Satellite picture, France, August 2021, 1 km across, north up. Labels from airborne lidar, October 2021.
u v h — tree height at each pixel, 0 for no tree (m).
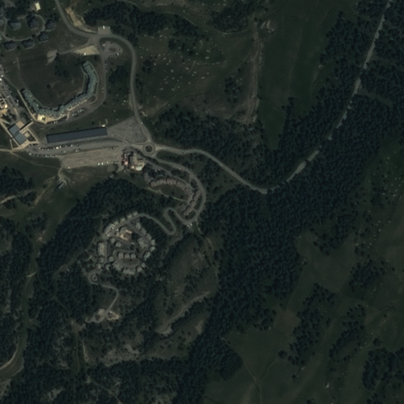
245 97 0
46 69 0
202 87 0
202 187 0
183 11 0
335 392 0
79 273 13
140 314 10
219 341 18
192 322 0
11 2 0
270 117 0
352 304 0
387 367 0
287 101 0
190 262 0
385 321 0
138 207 15
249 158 16
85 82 0
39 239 0
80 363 0
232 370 27
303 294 0
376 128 19
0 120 0
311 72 0
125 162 0
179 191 0
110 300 0
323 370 0
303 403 0
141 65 0
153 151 0
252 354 0
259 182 11
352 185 17
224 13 6
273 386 0
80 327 0
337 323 0
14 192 11
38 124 0
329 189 11
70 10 0
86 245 11
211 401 0
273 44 0
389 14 14
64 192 0
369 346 0
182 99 0
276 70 0
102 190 10
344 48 14
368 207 0
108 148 0
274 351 0
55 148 0
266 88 0
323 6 0
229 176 0
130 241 0
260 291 18
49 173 0
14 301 11
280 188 10
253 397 0
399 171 0
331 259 0
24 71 0
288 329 0
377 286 0
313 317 12
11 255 8
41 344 17
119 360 0
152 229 10
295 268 14
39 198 0
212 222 28
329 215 22
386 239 0
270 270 28
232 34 0
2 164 0
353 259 0
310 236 0
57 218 0
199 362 18
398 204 0
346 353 0
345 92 8
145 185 0
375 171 0
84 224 18
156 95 0
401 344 0
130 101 0
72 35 0
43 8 0
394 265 0
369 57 0
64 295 9
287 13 0
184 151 0
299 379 0
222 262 14
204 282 0
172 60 0
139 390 13
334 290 0
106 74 0
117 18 7
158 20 8
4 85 0
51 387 8
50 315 7
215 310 17
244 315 16
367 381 26
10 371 0
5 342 8
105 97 0
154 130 0
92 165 0
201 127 6
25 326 0
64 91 0
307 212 13
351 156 8
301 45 0
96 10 10
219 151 11
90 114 0
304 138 22
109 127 0
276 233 20
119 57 0
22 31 0
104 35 0
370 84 22
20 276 8
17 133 0
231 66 0
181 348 11
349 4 0
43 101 0
